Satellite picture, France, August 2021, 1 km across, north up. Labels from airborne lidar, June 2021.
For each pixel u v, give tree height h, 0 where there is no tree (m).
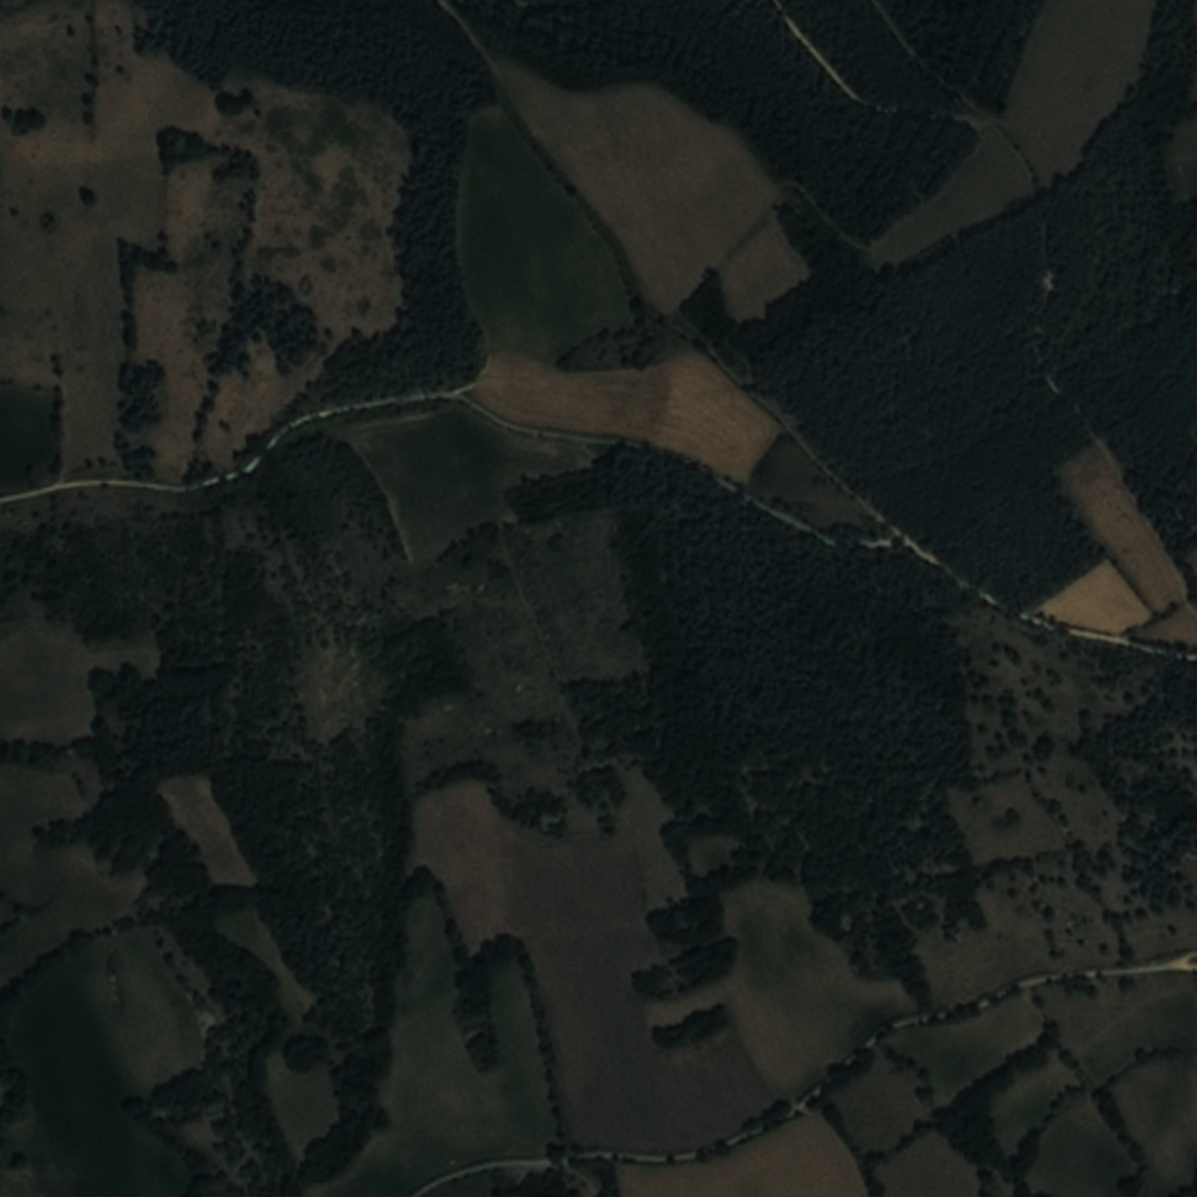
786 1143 0
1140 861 14
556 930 0
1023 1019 0
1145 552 0
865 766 9
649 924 9
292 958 16
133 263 10
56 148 0
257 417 0
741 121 10
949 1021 9
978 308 9
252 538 6
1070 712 0
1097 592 0
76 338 0
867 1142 0
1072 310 11
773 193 0
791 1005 0
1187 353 10
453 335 15
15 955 0
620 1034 0
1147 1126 0
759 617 18
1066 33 0
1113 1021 0
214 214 0
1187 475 15
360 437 0
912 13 16
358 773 8
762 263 0
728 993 0
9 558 6
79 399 0
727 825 16
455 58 9
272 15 20
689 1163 0
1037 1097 0
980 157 0
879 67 17
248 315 15
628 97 0
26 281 0
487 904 0
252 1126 12
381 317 0
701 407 0
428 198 10
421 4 17
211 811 0
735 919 0
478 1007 7
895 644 9
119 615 5
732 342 7
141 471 13
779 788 13
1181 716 14
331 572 7
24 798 0
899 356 11
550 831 6
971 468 13
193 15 16
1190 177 0
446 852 0
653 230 0
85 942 11
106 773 9
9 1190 0
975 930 8
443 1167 0
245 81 0
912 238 0
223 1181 9
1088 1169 0
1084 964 0
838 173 17
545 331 0
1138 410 11
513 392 0
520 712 0
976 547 10
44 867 0
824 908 12
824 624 12
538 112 0
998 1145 14
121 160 0
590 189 0
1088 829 0
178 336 0
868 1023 0
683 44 12
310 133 0
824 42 12
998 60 17
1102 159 7
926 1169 0
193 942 15
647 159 0
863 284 15
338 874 6
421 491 0
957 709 14
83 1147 0
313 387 12
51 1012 0
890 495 9
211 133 0
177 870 14
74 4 0
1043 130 0
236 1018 9
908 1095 0
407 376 8
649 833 0
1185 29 9
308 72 13
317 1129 0
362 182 0
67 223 0
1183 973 0
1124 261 7
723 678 20
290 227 0
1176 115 12
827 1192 0
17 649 0
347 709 0
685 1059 0
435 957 0
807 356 14
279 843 11
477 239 0
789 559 9
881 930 10
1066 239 12
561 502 6
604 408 0
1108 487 0
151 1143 0
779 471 0
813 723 12
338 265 0
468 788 0
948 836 12
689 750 13
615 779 10
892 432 13
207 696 17
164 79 0
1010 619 13
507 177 0
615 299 0
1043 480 13
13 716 0
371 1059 6
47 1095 0
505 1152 0
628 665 0
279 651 6
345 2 10
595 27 17
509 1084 0
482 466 0
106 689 16
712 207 0
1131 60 0
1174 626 0
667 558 6
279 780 15
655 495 12
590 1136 0
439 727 0
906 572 15
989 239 10
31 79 0
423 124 16
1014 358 13
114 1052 0
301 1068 12
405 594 0
